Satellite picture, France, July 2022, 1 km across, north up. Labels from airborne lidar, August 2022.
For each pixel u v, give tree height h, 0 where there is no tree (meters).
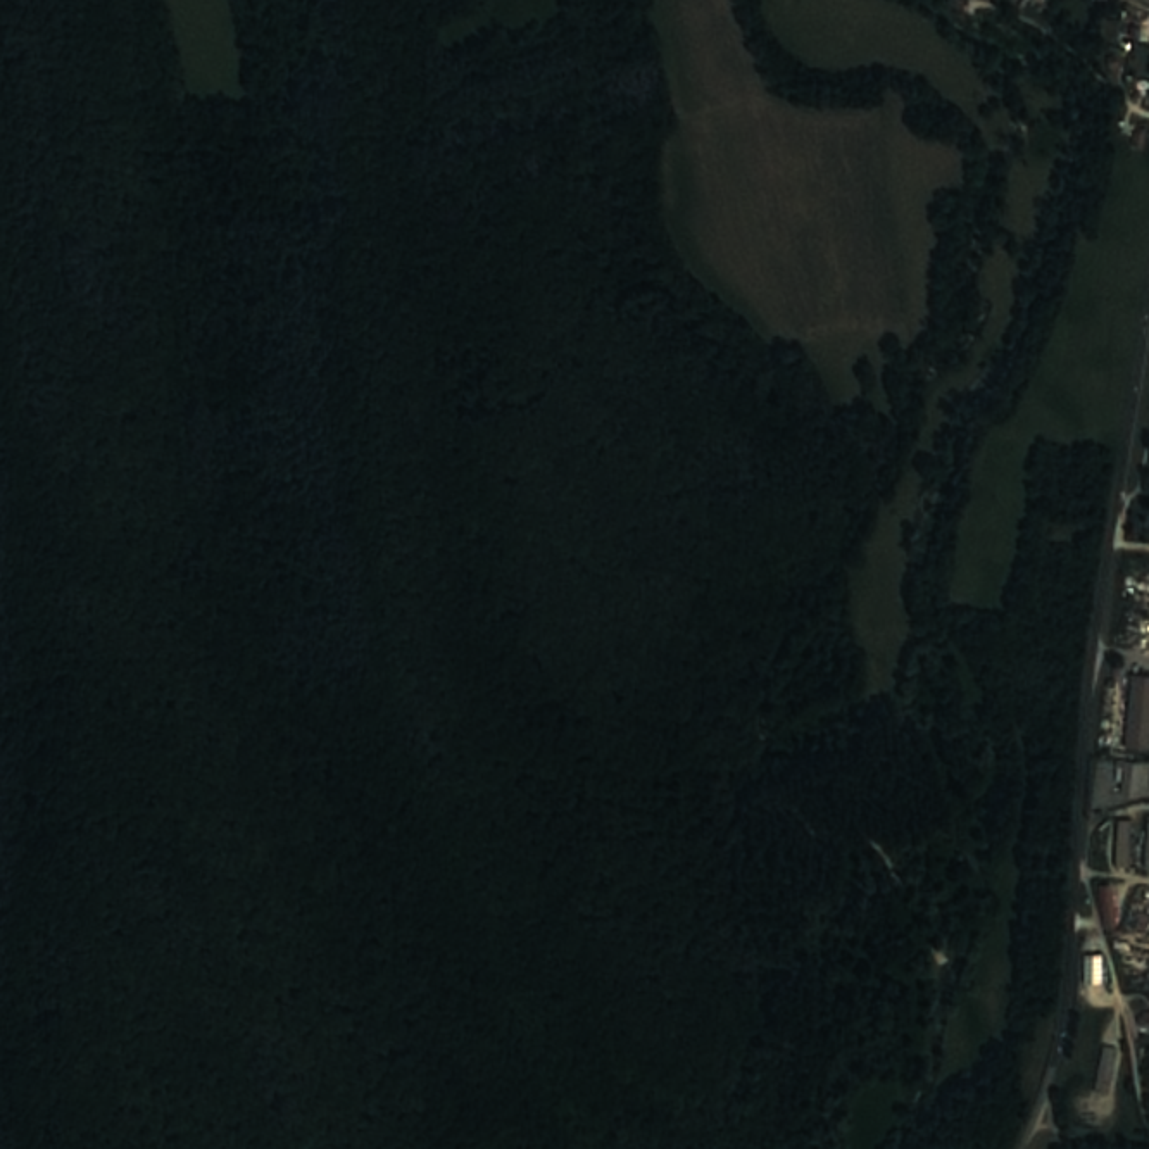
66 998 10
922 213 0
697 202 0
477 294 27
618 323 20
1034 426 0
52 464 12
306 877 20
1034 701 16
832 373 0
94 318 16
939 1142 17
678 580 22
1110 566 0
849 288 0
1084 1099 0
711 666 23
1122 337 0
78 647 10
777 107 0
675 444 20
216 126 16
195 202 18
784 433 22
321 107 25
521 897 21
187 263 20
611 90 19
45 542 10
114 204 13
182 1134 15
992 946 0
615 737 29
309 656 23
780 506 21
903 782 35
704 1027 23
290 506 19
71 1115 13
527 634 19
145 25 19
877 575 0
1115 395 0
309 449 27
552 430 19
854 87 11
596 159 20
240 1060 12
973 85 0
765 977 24
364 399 7
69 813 12
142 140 17
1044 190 0
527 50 10
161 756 18
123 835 23
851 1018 18
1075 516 13
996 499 0
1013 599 14
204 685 20
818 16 0
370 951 22
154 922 17
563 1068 16
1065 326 0
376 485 9
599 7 20
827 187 0
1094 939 0
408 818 15
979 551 0
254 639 25
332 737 19
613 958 22
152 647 15
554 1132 21
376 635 13
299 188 8
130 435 14
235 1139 12
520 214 26
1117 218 0
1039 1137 0
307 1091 13
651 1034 16
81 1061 14
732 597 25
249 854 19
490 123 23
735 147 0
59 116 13
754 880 26
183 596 26
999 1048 17
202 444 28
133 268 15
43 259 12
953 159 0
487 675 22
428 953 25
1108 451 12
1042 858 20
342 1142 14
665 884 24
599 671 18
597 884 25
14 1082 22
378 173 11
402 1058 23
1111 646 0
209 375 21
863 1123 0
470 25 0
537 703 18
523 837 23
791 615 24
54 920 11
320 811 20
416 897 24
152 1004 15
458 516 21
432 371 20
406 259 20
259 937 23
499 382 21
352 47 13
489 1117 24
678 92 0
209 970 16
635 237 26
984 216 22
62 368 14
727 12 0
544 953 24
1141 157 0
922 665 8
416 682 8
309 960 21
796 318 0
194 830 18
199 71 0
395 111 18
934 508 10
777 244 0
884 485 20
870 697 0
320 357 21
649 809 24
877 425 18
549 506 20
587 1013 22
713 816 23
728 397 21
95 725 13
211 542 27
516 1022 12
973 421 21
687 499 20
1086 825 0
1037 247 21
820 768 36
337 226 21
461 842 13
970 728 28
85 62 12
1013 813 33
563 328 19
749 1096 24
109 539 15
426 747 10
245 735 22
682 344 27
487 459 22
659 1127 27
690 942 23
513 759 21
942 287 17
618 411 20
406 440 16
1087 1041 0
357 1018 24
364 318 8
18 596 19
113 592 13
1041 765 16
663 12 0
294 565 16
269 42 6
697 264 0
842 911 25
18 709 17
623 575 17
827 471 20
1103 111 15
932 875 16
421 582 12
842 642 10
